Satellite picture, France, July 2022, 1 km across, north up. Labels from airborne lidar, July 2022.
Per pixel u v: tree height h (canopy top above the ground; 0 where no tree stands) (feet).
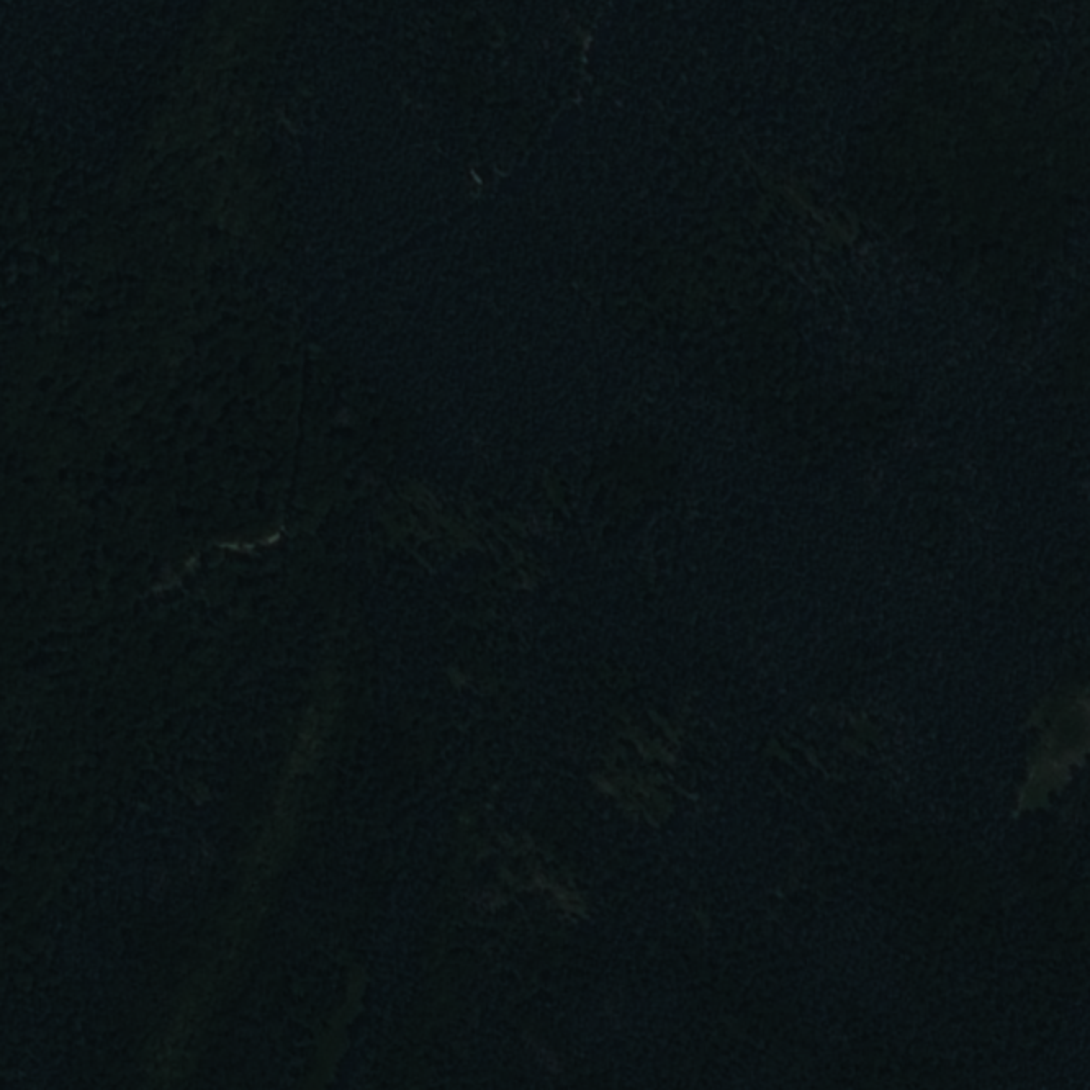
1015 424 99
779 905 66
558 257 88
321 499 73
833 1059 63
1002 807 79
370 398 86
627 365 92
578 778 69
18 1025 70
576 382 71
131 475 55
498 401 96
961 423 88
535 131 95
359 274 102
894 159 63
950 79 67
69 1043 72
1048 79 54
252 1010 77
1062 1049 71
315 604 55
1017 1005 64
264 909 63
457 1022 57
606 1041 84
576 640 75
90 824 53
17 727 69
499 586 61
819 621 79
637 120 78
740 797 81
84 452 75
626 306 71
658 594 94
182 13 68
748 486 91
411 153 91
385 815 79
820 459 52
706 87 81
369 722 69
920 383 82
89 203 77
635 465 73
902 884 48
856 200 68
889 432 90
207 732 71
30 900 68
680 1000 74
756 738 60
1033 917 72
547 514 79
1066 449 86
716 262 61
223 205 66
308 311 86
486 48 98
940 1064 67
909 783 101
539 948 54
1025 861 44
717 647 85
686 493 86
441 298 86
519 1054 60
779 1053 68
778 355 80
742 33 87
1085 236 83
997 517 94
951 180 68
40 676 76
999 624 86
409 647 69
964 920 52
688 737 24
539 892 32
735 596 99
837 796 54
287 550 55
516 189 93
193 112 62
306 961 65
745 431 89
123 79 51
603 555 83
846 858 57
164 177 69
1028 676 85
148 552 65
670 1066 73
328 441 75
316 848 75
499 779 46
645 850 78
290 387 74
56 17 102
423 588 74
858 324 83
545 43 87
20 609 74
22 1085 72
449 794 59
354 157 81
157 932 53
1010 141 64
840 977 68
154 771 69
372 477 70
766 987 59
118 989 66
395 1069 52
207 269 60
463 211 86
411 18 88
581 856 63
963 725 89
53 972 55
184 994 47
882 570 88
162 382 64
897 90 73
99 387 65
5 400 58
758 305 52
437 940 58
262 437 56
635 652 79
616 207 88
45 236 74
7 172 64
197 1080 61
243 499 78
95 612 63
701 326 56
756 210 65
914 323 74
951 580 82
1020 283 74
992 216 70
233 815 51
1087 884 60
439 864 56
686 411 86
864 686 91
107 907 51
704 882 74
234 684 62
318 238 97
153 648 74
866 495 85
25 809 74
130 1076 67
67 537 75
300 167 96
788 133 75
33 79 98
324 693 61
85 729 60
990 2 65
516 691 70
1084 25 50
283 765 48
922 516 74
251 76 65
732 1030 52
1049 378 38
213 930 52
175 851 73
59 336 80
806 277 83
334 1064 0
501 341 89
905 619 92
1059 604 73
